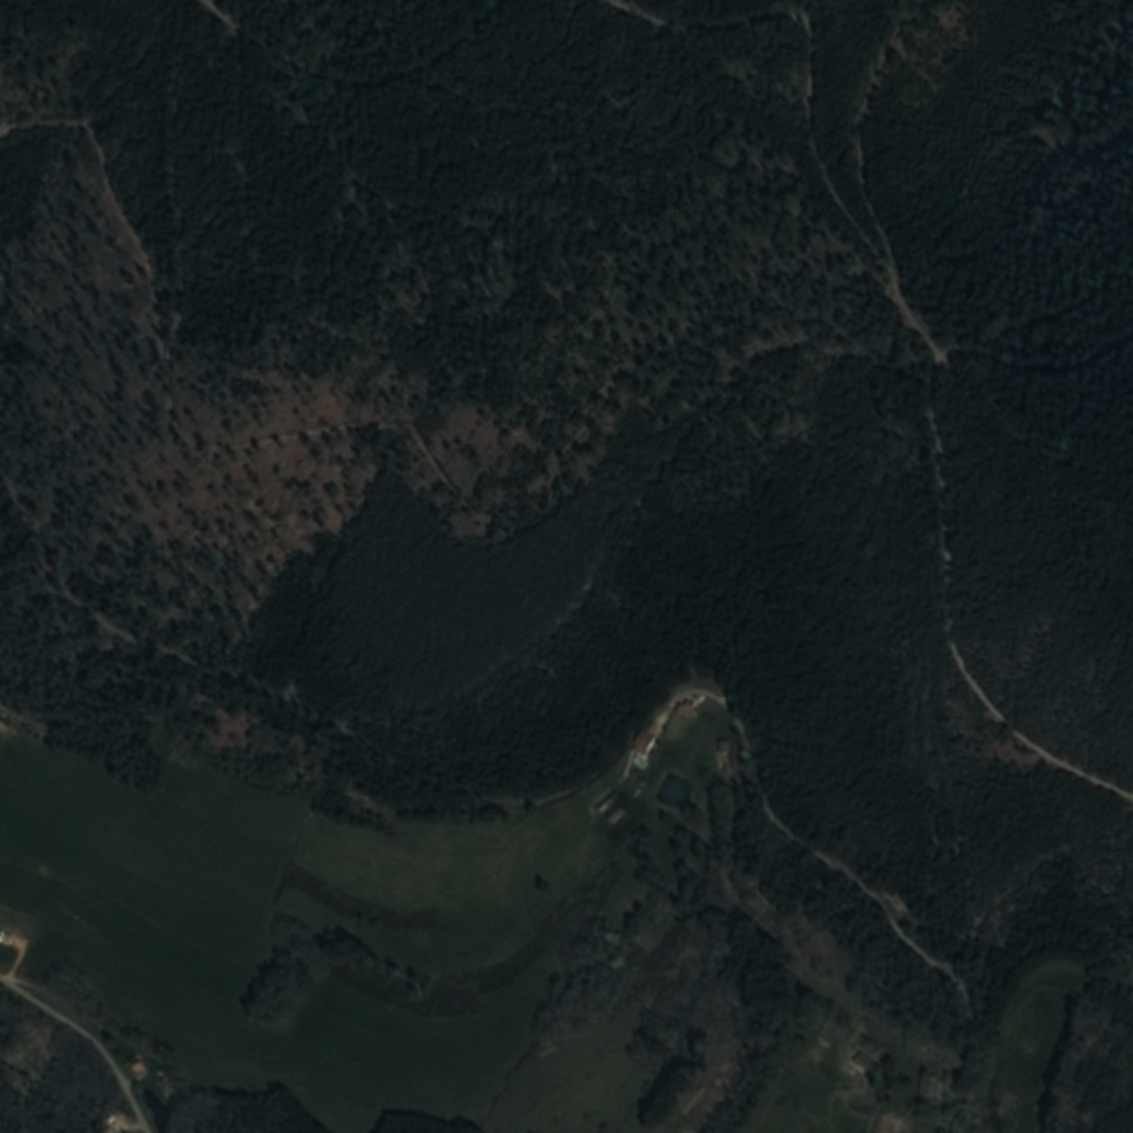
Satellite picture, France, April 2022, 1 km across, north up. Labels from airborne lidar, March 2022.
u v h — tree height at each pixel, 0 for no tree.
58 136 11
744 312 24
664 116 16
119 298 0
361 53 21
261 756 11
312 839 0
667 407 9
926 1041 21
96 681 24
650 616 21
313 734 11
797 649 15
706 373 27
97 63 10
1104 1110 13
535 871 0
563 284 7
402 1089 0
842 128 18
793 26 14
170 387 30
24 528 20
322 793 7
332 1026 0
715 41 18
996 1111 0
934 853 12
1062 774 12
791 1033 14
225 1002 0
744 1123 14
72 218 0
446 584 16
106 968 0
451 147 16
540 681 17
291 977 25
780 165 22
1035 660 6
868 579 6
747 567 22
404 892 0
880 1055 22
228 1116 21
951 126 14
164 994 0
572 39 16
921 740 7
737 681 25
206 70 10
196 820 0
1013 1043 0
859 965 18
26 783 0
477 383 13
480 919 0
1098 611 13
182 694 20
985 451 17
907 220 21
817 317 21
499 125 17
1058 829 11
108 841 0
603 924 15
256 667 10
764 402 25
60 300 28
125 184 11
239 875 0
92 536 29
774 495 22
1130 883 11
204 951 0
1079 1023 19
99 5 14
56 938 0
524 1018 0
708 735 0
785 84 14
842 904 24
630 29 16
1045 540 14
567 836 0
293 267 11
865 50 15
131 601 33
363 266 17
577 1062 0
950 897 11
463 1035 0
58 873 0
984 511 14
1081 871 10
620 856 0
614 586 23
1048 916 20
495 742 21
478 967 0
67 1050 20
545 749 24
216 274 12
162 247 16
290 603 15
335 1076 0
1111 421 29
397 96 23
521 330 11
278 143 11
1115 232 19
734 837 22
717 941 16
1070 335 28
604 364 6
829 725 10
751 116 17
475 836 0
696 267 31
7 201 17
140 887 0
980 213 18
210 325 16
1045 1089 0
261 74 16
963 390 16
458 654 14
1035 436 18
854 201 18
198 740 13
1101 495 15
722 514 17
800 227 26
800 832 17
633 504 14
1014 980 25
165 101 13
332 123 15
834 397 6
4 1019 23
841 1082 0
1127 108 32
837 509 10
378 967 29
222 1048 0
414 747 15
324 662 13
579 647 16
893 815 15
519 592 17
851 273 27
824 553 13
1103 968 14
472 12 17
